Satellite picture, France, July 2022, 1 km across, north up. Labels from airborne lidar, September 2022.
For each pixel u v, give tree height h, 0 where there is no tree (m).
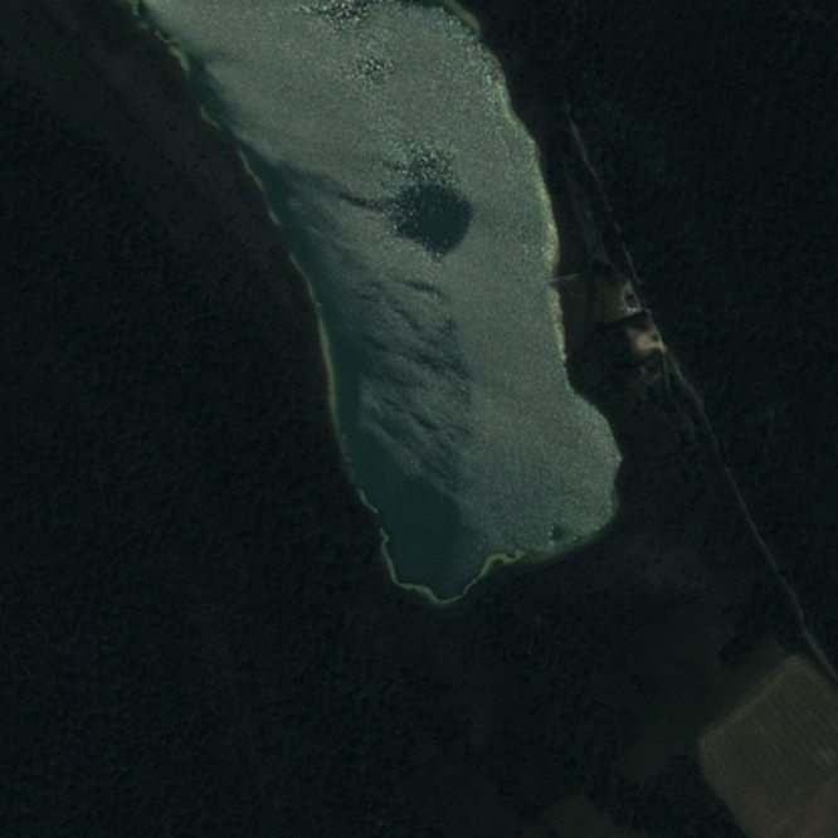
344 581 15
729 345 23
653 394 13
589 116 18
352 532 9
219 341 29
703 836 21
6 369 18
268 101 0
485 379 0
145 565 21
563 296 0
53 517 12
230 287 13
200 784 19
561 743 6
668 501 6
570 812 0
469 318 0
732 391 25
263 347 18
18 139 23
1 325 17
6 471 13
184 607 17
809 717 0
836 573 22
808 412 12
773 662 0
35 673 18
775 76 23
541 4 19
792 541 25
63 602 16
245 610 22
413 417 0
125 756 25
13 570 13
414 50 0
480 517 0
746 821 0
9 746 15
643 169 16
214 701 13
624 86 20
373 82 0
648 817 19
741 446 27
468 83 0
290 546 12
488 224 0
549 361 0
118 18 6
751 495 17
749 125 16
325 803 27
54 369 16
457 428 0
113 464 18
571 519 0
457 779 6
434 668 7
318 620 25
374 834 27
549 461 0
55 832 20
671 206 18
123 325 19
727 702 0
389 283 0
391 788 18
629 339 12
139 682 21
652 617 6
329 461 16
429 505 0
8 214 17
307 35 0
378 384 0
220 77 0
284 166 0
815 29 18
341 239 0
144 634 23
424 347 0
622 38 18
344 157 0
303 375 8
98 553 16
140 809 17
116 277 22
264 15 0
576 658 11
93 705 25
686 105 15
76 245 17
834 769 0
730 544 6
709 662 0
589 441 0
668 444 0
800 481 13
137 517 23
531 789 6
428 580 0
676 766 8
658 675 0
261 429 6
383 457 0
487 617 14
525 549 0
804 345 18
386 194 0
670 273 20
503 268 0
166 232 13
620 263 13
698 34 14
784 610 31
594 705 7
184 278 18
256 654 23
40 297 23
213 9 0
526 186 0
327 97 0
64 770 23
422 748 7
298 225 0
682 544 6
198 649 16
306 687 25
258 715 18
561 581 6
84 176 28
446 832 7
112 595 18
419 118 0
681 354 17
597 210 15
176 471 22
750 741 0
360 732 28
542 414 0
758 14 17
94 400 26
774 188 19
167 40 0
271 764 29
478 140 0
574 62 21
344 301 0
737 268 15
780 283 12
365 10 0
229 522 23
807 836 0
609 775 17
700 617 0
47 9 6
